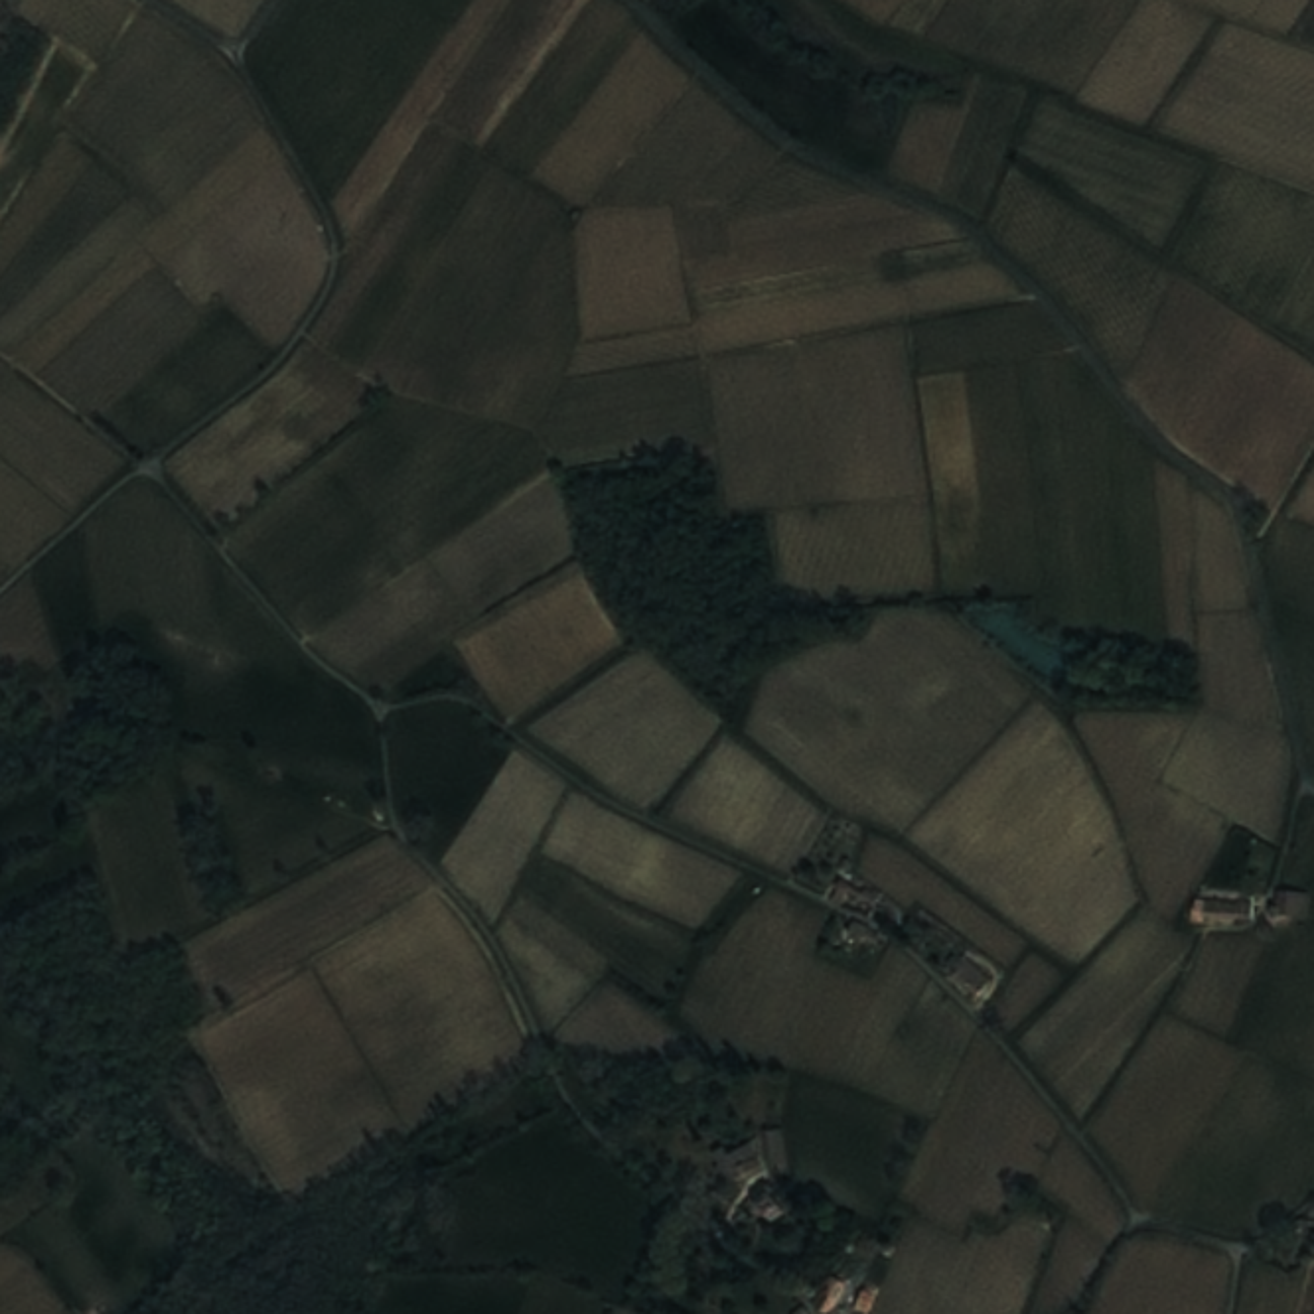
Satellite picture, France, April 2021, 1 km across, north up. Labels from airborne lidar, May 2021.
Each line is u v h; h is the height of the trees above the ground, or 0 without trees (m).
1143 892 0
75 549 0
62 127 0
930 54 0
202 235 0
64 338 0
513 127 0
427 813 18
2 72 12
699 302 0
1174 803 0
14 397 0
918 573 0
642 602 27
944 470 0
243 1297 24
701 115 0
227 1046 0
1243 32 0
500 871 0
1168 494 0
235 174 0
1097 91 0
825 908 0
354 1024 0
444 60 0
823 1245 10
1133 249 0
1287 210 0
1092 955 0
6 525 0
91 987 21
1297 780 0
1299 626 0
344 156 0
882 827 0
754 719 0
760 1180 0
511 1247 0
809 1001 0
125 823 0
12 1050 0
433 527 0
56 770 23
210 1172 12
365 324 0
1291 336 0
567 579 0
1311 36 0
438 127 0
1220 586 0
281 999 0
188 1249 18
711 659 19
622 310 0
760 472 0
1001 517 0
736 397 0
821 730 0
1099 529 0
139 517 0
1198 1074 0
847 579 0
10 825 0
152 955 13
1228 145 0
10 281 0
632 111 0
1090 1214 0
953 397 0
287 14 0
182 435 0
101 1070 16
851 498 0
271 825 0
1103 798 0
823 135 0
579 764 0
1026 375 0
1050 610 0
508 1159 0
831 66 12
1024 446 0
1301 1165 0
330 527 0
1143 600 0
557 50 0
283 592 0
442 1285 0
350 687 0
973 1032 0
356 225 0
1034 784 0
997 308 0
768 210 0
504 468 0
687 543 26
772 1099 0
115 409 0
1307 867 0
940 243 0
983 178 0
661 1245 24
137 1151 23
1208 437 0
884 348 0
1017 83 0
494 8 0
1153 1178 0
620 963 0
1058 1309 0
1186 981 0
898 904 0
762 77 0
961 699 0
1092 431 0
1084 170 0
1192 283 0
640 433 0
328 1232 17
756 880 0
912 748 0
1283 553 0
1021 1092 0
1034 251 0
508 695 0
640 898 0
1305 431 0
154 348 0
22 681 19
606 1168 0
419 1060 0
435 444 0
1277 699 0
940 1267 0
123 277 0
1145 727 0
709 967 0
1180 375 0
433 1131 12
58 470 0
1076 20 0
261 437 0
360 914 0
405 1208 27
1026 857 0
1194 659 21
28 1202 0
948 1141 0
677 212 0
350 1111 0
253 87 0
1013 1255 0
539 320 0
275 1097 0
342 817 0
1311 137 0
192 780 0
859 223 0
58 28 0
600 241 0
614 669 0
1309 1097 0
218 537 14
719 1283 14
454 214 0
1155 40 0
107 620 0
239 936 0
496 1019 0
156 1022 12
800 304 0
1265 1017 0
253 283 0
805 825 0
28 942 26
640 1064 17
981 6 0
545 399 0
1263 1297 0
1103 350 0
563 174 0
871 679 0
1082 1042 0
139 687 26
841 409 0
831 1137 0
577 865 0
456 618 0
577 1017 0
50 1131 16
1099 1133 0
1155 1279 0
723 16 0
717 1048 0
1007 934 0
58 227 0
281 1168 0
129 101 0
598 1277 0
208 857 27
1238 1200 0
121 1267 0
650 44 0
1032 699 0
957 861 0
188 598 0
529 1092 13
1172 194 0
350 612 0
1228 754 0
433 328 0
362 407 8
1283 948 0
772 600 20
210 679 0
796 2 0
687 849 0
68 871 0
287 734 0
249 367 0
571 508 10
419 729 0
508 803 0
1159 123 0
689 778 0
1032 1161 0
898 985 0
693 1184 21
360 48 0
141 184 0
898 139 0
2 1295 0
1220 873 0
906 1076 0
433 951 0
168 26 0
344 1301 17
